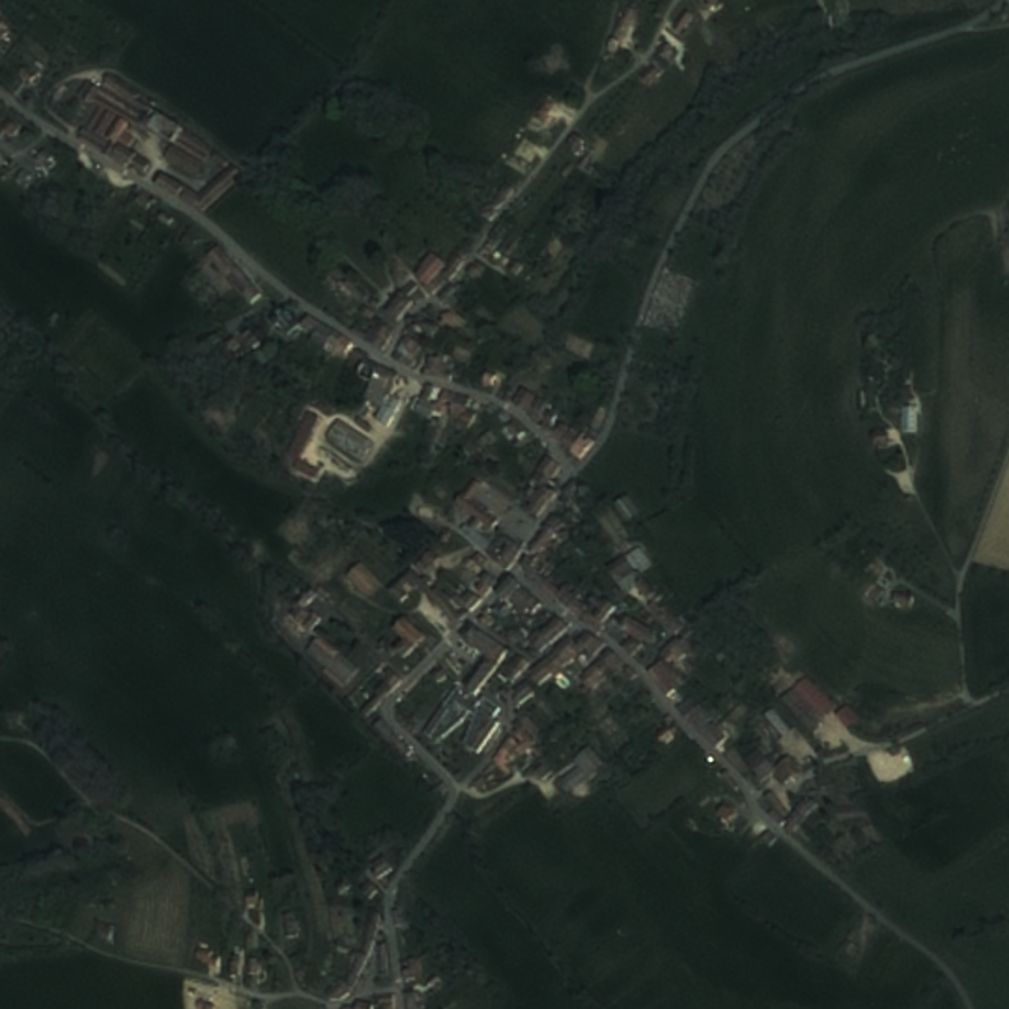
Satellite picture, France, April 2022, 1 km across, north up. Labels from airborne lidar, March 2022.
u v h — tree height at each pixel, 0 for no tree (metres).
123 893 0
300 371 16
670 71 0
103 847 13
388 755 14
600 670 0
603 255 28
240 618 0
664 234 0
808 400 0
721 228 16
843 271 0
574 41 0
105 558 0
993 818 0
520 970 0
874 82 0
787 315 0
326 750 0
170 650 0
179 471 0
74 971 0
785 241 0
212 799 0
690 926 0
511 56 0
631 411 0
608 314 0
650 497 0
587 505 11
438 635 0
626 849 0
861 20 7
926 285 0
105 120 0
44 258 0
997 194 0
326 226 23
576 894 0
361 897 0
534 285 0
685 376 6
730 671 14
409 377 0
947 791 0
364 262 0
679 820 0
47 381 0
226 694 0
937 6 0
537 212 0
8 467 0
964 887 0
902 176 0
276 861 0
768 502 0
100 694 0
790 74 0
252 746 0
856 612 0
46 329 0
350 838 0
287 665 0
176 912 0
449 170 19
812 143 0
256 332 10
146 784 0
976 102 0
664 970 0
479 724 0
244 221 0
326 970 0
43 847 0
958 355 0
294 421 13
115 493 0
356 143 0
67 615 0
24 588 0
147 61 0
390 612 0
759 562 0
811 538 0
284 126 0
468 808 0
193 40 0
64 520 0
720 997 0
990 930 16
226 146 0
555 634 0
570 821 0
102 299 0
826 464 0
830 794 0
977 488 0
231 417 0
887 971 0
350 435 0
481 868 13
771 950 0
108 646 0
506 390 7
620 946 0
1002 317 0
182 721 0
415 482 0
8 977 0
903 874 0
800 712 0
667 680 0
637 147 0
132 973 0
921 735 0
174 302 0
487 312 0
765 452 0
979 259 0
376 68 0
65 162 0
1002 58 0
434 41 0
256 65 0
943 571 0
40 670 0
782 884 0
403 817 0
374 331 0
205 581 0
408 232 0
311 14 0
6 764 0
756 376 0
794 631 0
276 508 0
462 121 0
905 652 0
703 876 0
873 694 0
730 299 0
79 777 27
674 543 0
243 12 0
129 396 0
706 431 0
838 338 0
